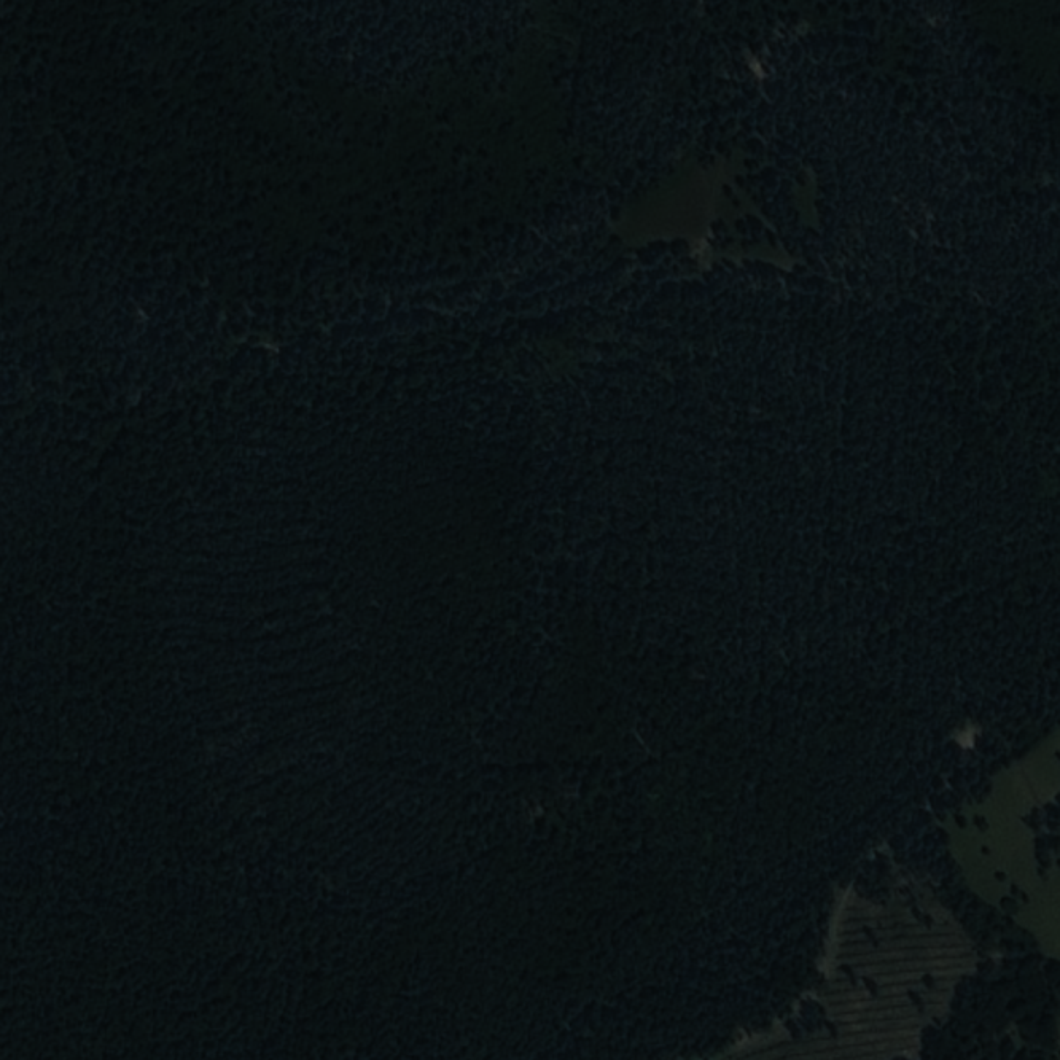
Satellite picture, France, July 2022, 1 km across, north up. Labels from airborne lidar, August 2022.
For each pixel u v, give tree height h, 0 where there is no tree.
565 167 8
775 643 23
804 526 21
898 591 23
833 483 19
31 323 24
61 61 17
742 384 22
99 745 20
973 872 0
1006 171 20
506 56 7
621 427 25
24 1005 14
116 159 16
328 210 8
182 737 13
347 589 18
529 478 21
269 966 14
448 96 7
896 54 7
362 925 20
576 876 15
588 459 23
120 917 17
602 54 18
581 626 15
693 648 17
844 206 25
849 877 21
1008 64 7
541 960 14
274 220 9
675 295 21
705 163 15
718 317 22
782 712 22
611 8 20
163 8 14
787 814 12
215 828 20
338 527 18
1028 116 24
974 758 16
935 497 13
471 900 18
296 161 13
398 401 20
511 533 14
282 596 16
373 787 16
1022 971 17
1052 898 0
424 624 18
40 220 22
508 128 15
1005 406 17
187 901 23
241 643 17
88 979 18
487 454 21
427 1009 19
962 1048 7
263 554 16
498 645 19
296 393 22
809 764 17
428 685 17
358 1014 20
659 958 16
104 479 15
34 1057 21
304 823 15
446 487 14
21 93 19
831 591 22
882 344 20
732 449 23
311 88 8
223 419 24
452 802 15
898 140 28
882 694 27
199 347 18
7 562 10
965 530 17
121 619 19
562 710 18
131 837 17
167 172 21
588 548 20
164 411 13
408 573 19
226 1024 19
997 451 14
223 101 10
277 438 17
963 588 9
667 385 26
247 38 8
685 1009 17
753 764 18
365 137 10
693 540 22
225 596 15
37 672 20
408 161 12
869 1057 0
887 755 17
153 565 19
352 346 14
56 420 27
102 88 18
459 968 19
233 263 20
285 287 21
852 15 8
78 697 24
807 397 22
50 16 18
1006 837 0
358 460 17
